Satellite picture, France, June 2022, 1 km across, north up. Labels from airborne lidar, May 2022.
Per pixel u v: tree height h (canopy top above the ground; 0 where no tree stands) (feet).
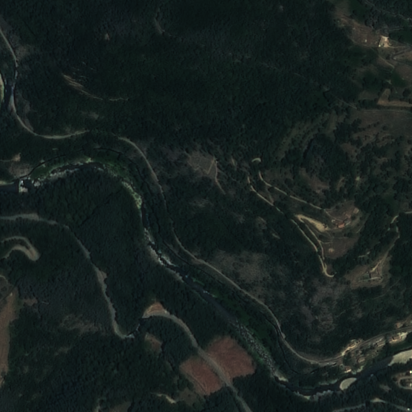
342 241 0
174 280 33
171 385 34
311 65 40
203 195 23
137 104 51
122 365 76
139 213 53
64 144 52
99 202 83
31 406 55
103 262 76
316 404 51
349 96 18
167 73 69
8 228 39
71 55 43
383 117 0
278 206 35
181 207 23
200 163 0
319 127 26
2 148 39
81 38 60
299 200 0
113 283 39
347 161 36
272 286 24
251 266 0
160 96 53
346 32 52
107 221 103
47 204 63
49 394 45
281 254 42
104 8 63
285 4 26
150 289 53
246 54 44
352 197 36
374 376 34
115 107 50
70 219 78
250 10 27
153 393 66
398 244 43
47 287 77
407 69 0
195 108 42
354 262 49
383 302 19
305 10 26
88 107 37
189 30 34
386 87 39
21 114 26
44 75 27
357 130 28
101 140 64
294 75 39
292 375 42
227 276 26
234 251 49
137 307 68
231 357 0
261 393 71
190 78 70
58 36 47
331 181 30
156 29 48
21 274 54
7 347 0
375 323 36
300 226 23
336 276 33
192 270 50
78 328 20
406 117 0
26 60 20
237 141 40
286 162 41
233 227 45
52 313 61
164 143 68
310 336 20
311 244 0
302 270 28
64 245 75
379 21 32
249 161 40
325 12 38
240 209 43
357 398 36
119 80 56
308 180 0
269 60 41
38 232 51
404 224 64
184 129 43
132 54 53
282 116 42
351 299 30
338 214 0
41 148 58
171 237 49
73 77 24
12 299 0
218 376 31
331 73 45
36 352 20
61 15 64
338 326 21
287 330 42
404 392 62
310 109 31
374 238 43
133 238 56
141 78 73
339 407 54
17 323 31
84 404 60
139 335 64
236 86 58
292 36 33
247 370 0
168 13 29
